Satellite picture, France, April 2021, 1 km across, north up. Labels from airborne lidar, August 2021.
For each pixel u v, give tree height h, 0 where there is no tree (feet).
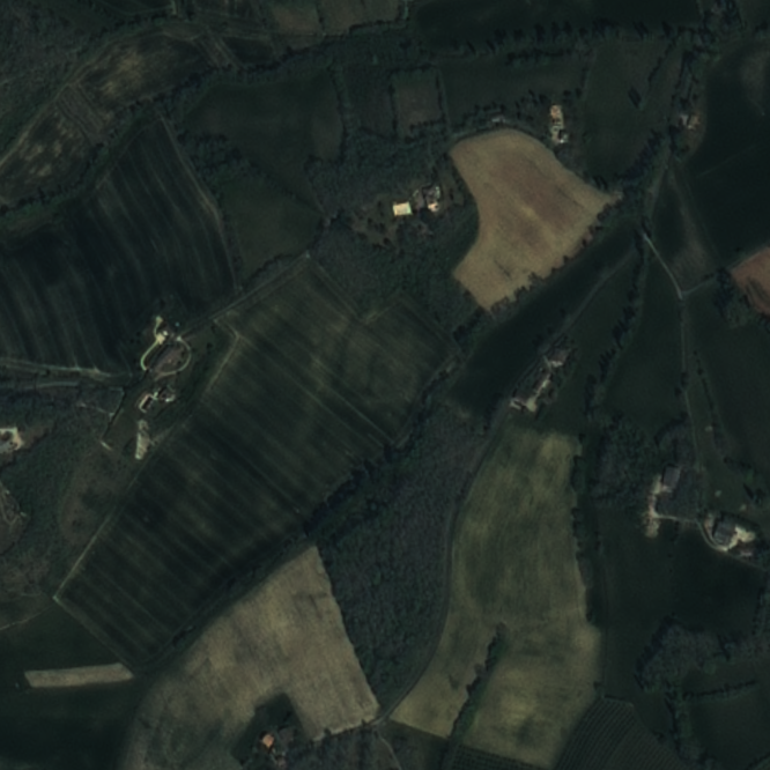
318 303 0
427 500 64
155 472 0
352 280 51
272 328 0
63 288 0
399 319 0
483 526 0
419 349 0
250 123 0
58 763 0
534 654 0
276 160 0
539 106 36
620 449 57
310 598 0
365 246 66
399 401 0
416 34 21
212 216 0
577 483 50
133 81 0
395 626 65
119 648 0
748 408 0
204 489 0
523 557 0
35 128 0
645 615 0
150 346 0
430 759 0
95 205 0
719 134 0
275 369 0
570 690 0
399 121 26
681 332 0
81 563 0
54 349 0
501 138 0
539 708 0
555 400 33
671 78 0
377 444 0
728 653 54
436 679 0
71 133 0
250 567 0
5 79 41
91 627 0
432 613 55
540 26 0
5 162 0
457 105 0
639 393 0
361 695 0
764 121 0
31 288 0
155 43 0
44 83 25
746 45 0
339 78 43
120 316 0
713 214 0
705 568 0
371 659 65
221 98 0
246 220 0
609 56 0
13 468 38
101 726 0
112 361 0
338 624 0
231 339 0
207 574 0
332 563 53
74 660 0
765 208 0
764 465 0
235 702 0
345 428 0
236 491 0
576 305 0
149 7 0
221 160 52
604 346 0
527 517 0
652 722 0
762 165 0
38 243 0
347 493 43
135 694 0
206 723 0
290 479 0
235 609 0
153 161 0
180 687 0
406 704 0
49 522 54
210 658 0
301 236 0
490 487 0
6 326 0
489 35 0
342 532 39
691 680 0
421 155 60
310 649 0
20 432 29
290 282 0
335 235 47
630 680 0
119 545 0
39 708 0
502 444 0
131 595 0
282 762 0
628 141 0
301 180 0
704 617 0
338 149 0
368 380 0
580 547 30
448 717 0
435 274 86
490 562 0
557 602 0
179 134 30
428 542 57
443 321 63
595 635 0
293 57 36
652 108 0
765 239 0
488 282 0
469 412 0
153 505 0
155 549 0
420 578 58
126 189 0
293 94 0
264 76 49
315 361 0
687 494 55
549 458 0
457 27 0
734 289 87
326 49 39
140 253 0
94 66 0
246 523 0
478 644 0
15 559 38
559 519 0
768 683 0
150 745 0
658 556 0
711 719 0
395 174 60
